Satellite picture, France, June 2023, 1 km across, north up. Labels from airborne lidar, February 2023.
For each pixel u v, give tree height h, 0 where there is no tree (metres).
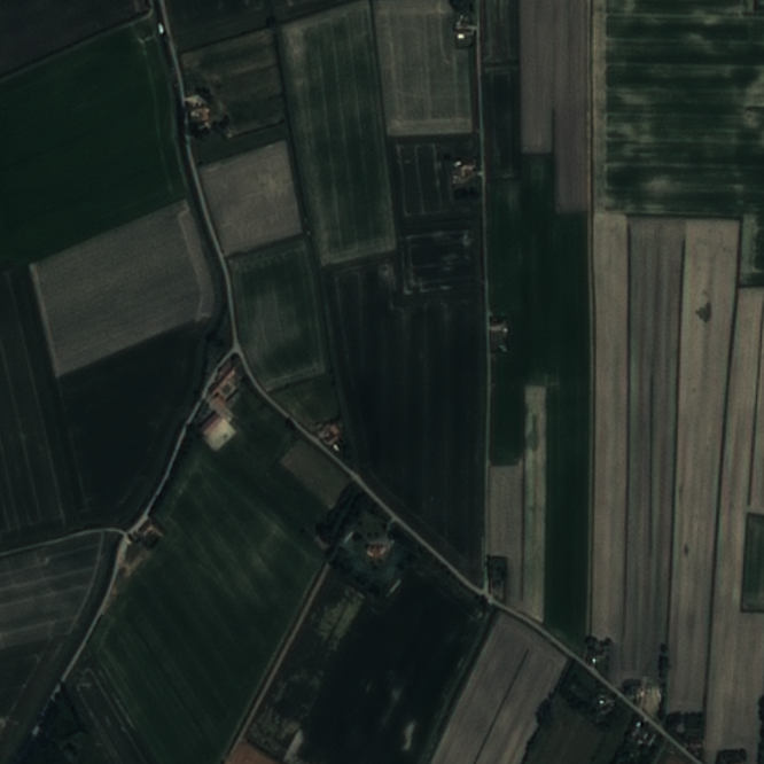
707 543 0
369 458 0
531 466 0
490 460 0
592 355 0
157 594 0
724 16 0
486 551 0
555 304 0
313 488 0
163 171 0
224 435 0
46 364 0
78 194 0
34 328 0
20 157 0
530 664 0
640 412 0
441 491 0
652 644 0
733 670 0
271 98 0
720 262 0
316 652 0
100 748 0
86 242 0
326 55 0
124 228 0
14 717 0
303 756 0
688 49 0
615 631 0
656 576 0
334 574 0
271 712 0
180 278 0
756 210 0
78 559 0
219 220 0
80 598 0
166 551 0
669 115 0
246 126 0
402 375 0
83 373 0
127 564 0
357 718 0
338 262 0
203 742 0
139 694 0
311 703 0
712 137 0
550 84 0
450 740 0
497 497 0
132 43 0
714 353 0
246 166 0
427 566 0
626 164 0
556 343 0
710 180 0
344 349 0
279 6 0
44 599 0
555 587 0
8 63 0
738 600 0
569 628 0
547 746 0
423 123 0
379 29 0
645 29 0
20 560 0
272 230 0
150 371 0
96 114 0
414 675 0
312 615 0
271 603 0
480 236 0
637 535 0
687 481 0
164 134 0
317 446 0
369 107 0
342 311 0
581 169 0
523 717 0
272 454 0
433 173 0
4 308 0
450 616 0
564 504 0
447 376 0
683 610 0
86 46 0
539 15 0
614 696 8
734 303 0
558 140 0
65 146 0
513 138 0
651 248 0
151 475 0
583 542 0
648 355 0
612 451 0
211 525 0
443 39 0
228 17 0
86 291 0
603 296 0
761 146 0
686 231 0
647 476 0
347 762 0
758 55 0
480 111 0
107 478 0
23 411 0
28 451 0
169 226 0
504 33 0
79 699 0
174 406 0
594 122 0
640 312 0
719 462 0
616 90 0
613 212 0
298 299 0
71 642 0
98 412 0
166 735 0
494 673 0
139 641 0
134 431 0
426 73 0
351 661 0
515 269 0
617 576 0
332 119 0
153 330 0
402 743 0
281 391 0
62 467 0
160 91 0
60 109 0
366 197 0
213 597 0
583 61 0
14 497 0
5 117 0
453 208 0
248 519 0
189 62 0
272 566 0
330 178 0
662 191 0
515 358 0
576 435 0
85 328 0
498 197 0
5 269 0
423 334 0
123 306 0
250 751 0
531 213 0
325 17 0
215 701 0
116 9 0
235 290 0
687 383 0
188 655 0
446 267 0
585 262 0
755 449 0
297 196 0
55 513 0
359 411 0
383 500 0
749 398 0
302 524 0
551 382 0
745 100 0
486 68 0
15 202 0
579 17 0
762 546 0
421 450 0
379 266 0
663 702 8
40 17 0
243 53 0
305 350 0
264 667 0
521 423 0
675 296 0
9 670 0
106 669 0
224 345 12
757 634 0
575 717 0
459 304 0
